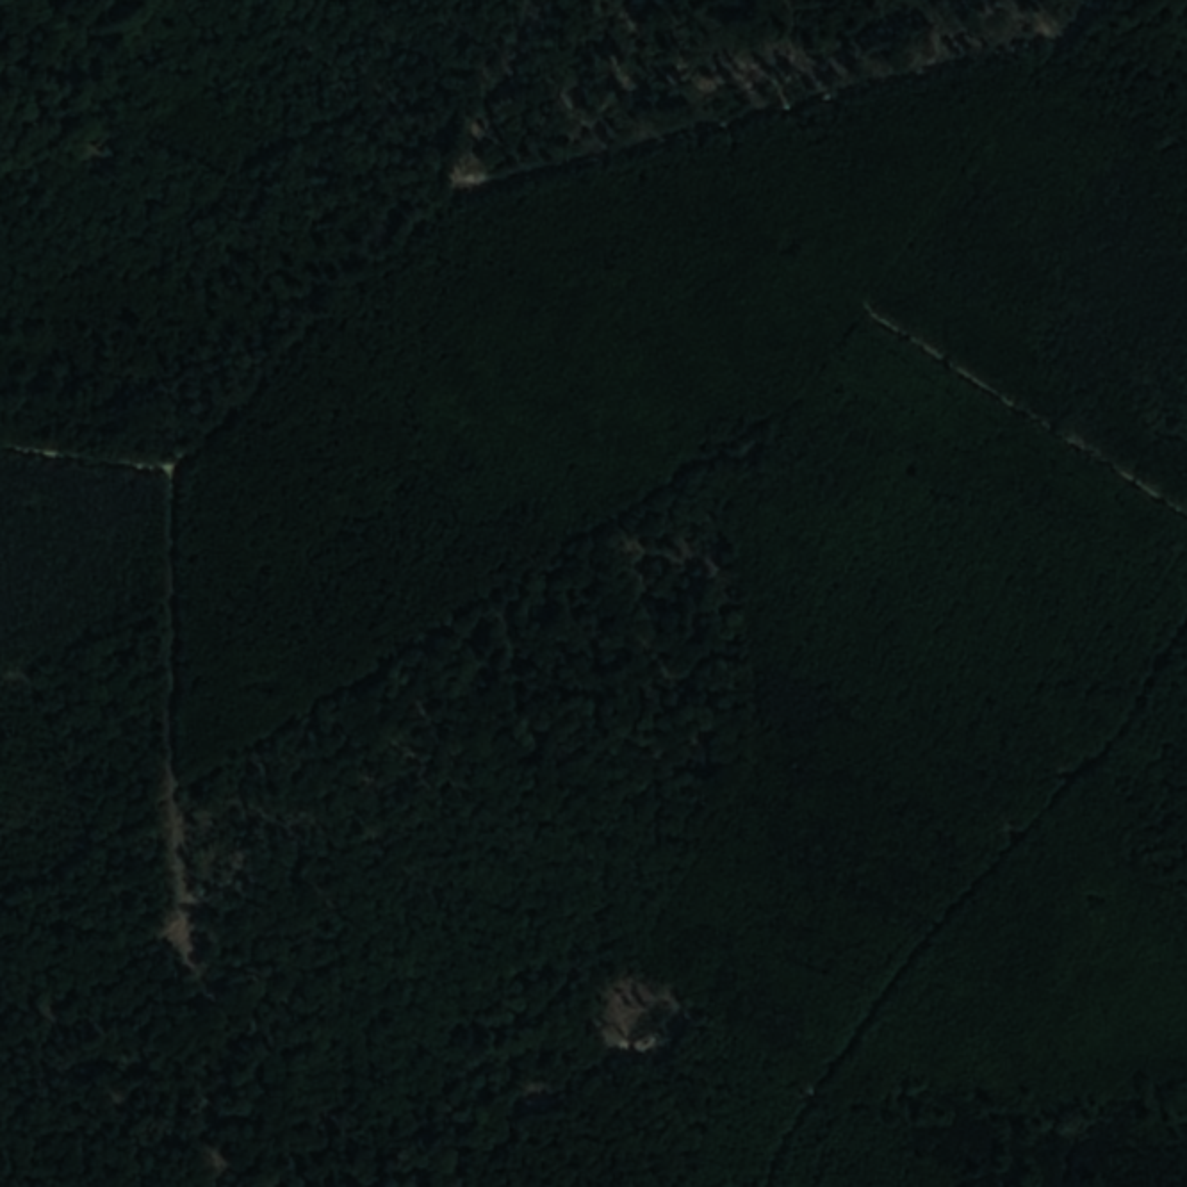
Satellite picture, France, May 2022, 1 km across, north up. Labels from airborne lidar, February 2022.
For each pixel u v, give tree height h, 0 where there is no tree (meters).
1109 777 19
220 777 24
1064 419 16
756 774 20
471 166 0
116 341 7
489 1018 29
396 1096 30
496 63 26
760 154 19
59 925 13
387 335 21
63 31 28
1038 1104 16
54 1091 25
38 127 35
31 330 26
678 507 30
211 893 31
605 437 17
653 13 31
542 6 26
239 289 27
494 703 32
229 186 14
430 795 27
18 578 11
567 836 23
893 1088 10
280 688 14
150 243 25
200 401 29
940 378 15
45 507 9
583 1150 26
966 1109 12
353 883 24
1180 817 23
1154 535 16
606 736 33
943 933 18
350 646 18
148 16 31
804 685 20
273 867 24
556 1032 27
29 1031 26
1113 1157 14
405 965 25
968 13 32
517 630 33
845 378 15
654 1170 28
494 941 25
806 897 18
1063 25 0
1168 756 28
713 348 15
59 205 26
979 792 20
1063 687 23
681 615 33
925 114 15
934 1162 13
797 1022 16
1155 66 20
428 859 23
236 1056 32
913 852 21
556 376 17
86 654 23
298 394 19
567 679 33
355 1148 29
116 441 27
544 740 32
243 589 18
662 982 20
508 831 24
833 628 19
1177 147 17
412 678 30
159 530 12
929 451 17
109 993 22
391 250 24
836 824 22
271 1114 30
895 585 19
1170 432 6
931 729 19
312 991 26
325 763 26
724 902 15
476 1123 30
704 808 29
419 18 24
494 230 17
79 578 10
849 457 17
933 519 16
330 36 25
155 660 12
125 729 21
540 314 17
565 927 26
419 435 17
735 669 27
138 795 15
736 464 23
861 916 18
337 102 27
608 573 33
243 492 19
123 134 29
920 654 19
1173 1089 29
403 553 19
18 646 11
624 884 22
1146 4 27
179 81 26
